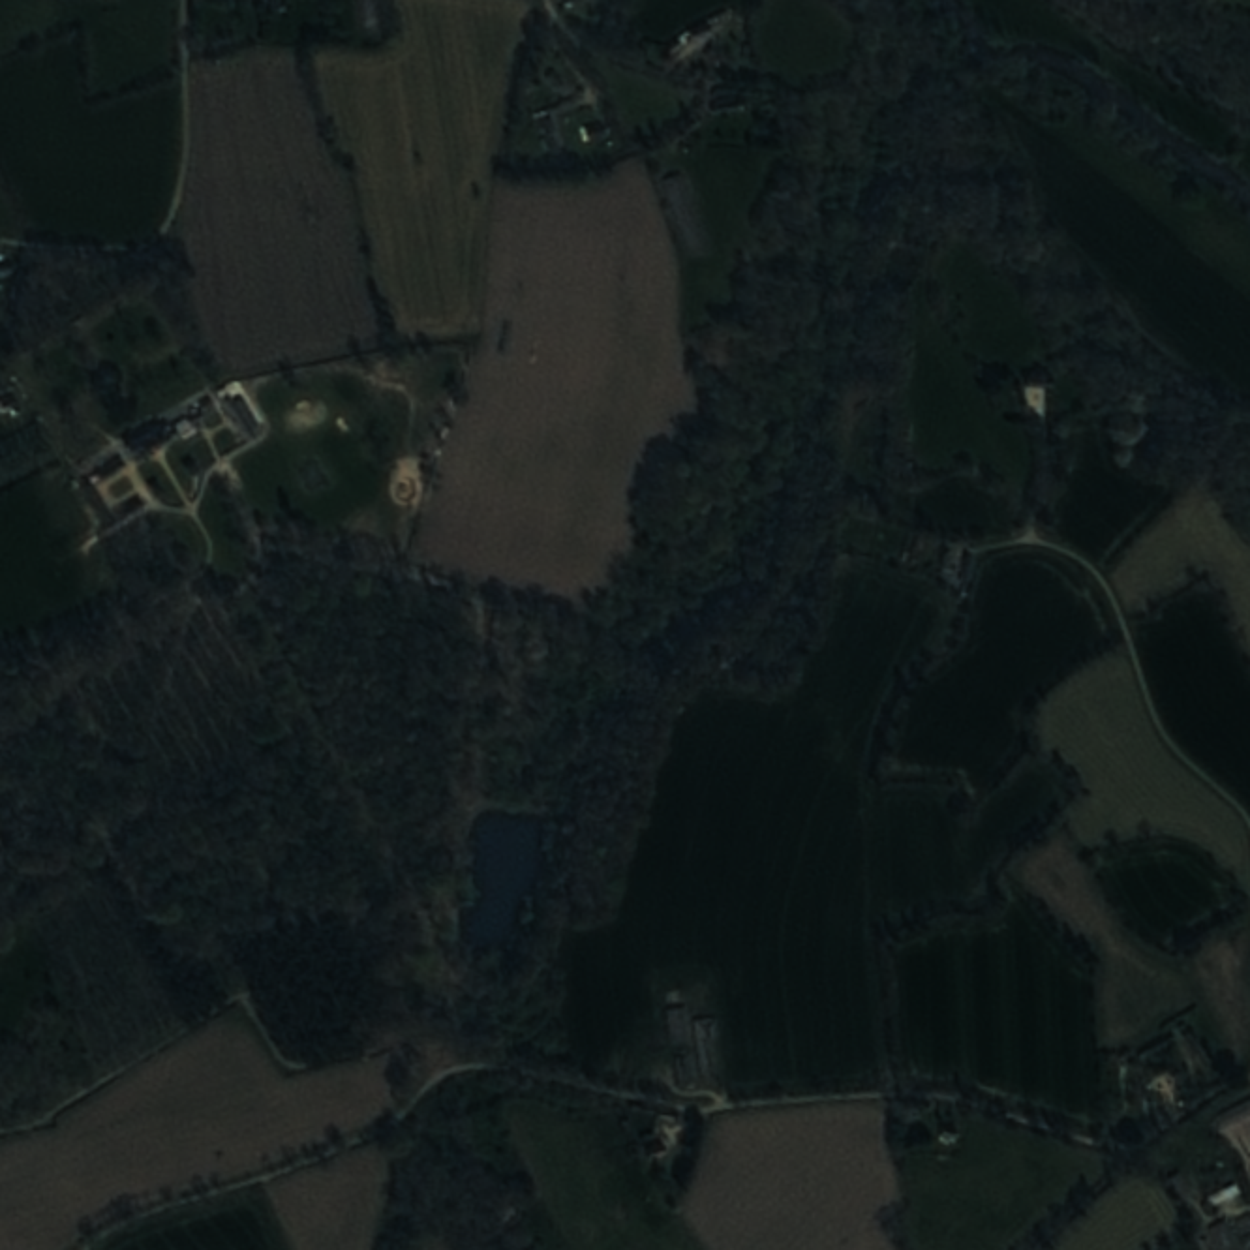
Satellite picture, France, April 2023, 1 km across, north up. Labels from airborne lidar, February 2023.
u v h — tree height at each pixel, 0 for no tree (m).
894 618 0
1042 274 10
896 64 25
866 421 0
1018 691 0
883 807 0
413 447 0
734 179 0
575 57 11
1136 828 0
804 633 18
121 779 21
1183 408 26
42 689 32
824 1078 0
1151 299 0
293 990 26
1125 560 0
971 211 22
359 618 27
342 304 0
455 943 26
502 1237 28
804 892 0
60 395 0
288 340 0
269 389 0
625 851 22
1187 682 0
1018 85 16
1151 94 0
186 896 26
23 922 18
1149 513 0
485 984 25
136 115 0
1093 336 7
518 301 0
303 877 24
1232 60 19
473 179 0
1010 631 0
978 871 0
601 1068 0
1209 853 0
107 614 22
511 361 0
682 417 0
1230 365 0
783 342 22
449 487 0
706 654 19
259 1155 0
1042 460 8
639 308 0
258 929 22
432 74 0
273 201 0
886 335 23
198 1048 0
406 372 0
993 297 0
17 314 24
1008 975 0
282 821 32
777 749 0
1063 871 0
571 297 0
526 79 18
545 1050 6
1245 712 0
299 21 0
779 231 20
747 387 6
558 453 0
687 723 0
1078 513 0
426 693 25
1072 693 0
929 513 0
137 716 24
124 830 22
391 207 0
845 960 0
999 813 0
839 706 0
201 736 21
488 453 0
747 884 0
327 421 0
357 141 0
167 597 24
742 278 12
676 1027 0
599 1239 0
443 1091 6
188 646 22
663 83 9
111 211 0
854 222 16
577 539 0
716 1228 0
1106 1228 0
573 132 0
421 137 0
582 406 0
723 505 14
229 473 0
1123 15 19
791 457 23
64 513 0
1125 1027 0
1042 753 16
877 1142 0
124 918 23
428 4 0
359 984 21
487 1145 7
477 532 0
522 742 17
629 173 0
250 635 28
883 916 0
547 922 21
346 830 32
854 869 0
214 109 0
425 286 0
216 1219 0
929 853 0
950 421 0
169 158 0
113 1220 14
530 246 0
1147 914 0
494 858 0
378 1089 0
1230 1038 0
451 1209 22
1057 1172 0
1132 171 0
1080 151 0
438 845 19
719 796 0
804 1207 0
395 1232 16
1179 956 9
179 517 0
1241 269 0
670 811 0
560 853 26
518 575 0
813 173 15
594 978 0
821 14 0
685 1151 13
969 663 0
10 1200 0
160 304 29
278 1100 0
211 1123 0
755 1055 0
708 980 0
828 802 0
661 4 0
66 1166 0
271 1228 0
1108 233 0
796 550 23
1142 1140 16
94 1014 18
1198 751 0
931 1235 0
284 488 0
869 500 12
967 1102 12
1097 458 0
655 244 0
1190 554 0
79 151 0
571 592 0
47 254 21
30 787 24
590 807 26
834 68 0
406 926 29
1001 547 0
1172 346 0
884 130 24
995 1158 0
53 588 0
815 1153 0
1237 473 20
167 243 6
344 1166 0
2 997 7
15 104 0
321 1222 0
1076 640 0
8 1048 15
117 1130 0
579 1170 0
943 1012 0
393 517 0
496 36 0
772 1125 0
